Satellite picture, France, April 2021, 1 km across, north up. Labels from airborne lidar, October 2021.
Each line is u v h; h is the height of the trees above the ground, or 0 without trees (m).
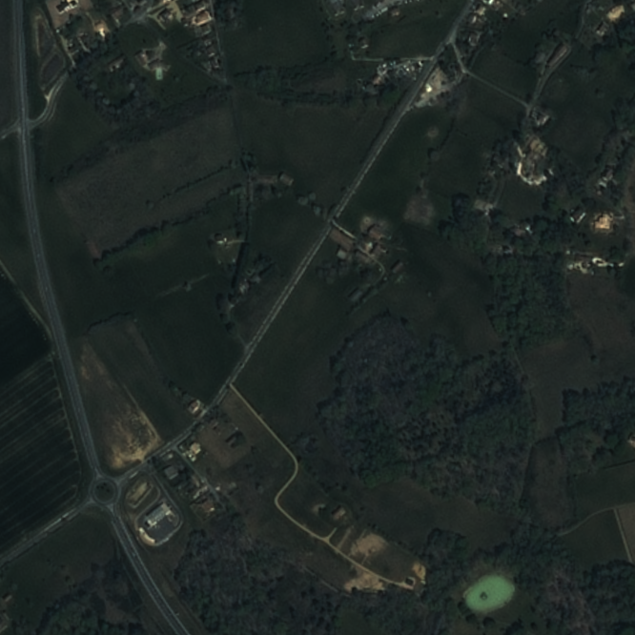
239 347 0
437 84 0
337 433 14
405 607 21
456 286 0
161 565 0
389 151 0
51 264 0
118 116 16
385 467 17
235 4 15
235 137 0
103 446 0
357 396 19
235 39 0
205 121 0
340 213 0
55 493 0
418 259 0
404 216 0
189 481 16
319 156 0
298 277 0
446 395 12
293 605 0
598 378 0
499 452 19
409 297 0
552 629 19
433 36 0
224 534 7
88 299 0
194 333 0
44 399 0
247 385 0
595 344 0
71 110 0
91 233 0
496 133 0
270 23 0
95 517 0
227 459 0
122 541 0
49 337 0
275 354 0
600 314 0
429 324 0
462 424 18
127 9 6
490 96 0
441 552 16
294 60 0
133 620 0
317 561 0
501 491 18
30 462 0
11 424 0
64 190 0
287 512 0
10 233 0
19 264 0
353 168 0
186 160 0
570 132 0
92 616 17
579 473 16
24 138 0
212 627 14
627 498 0
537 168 6
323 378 0
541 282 22
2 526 0
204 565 13
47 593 0
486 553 11
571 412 19
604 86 0
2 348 0
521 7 8
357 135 0
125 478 0
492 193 10
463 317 0
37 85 0
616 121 16
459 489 22
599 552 0
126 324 0
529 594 16
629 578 23
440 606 20
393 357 13
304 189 0
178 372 0
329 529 0
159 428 0
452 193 0
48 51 0
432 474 18
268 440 0
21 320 0
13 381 0
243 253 14
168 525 0
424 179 11
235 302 12
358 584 0
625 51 16
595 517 0
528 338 14
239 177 0
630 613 24
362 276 8
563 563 21
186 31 0
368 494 0
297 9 0
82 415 0
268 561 12
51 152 0
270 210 0
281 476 0
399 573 0
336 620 17
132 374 0
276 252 0
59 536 0
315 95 12
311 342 0
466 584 16
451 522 0
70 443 0
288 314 0
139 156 0
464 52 8
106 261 17
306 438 8
